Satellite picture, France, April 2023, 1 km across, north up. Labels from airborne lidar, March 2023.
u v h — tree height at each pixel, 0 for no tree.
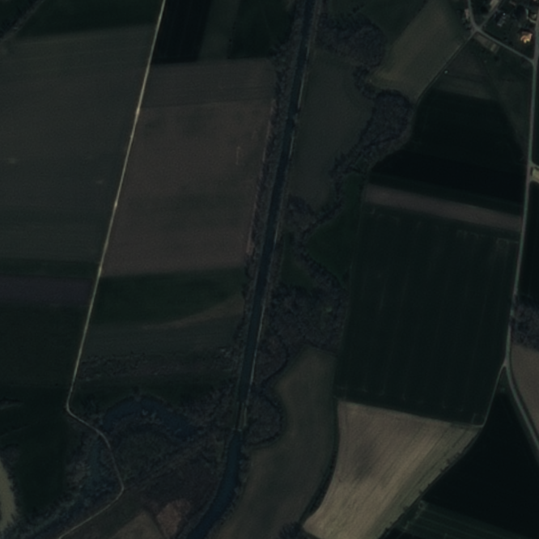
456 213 0
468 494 0
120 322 0
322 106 0
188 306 0
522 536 0
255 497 0
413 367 0
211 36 0
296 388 0
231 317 0
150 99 0
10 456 7
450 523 0
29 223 0
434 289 0
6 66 0
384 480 0
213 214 0
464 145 0
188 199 0
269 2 0
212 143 0
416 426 0
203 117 0
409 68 0
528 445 0
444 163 0
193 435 10
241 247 0
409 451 0
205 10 0
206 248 0
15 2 0
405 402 0
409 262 0
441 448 0
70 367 0
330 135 0
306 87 0
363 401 0
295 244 21
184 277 0
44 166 0
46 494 0
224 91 0
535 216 0
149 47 0
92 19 0
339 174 15
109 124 0
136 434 26
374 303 0
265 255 0
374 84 0
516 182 0
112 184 0
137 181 0
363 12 0
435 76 0
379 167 0
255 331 0
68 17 0
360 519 0
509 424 0
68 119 0
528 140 0
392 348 0
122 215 0
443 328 0
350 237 0
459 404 0
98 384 0
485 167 0
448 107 0
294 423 0
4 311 0
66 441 0
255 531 0
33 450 0
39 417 0
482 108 0
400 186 0
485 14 13
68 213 0
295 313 20
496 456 0
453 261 0
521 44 0
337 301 22
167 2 0
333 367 0
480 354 0
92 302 0
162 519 0
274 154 21
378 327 0
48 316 0
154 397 0
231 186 0
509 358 0
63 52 0
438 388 0
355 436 0
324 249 0
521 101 0
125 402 0
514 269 0
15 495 11
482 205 0
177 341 0
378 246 0
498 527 0
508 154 0
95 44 0
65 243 0
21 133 0
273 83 0
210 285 0
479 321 0
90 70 0
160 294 0
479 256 0
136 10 0
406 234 0
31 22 0
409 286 0
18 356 0
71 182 0
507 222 0
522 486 0
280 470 0
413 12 0
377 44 26
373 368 0
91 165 0
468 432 0
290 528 0
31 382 0
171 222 0
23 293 0
